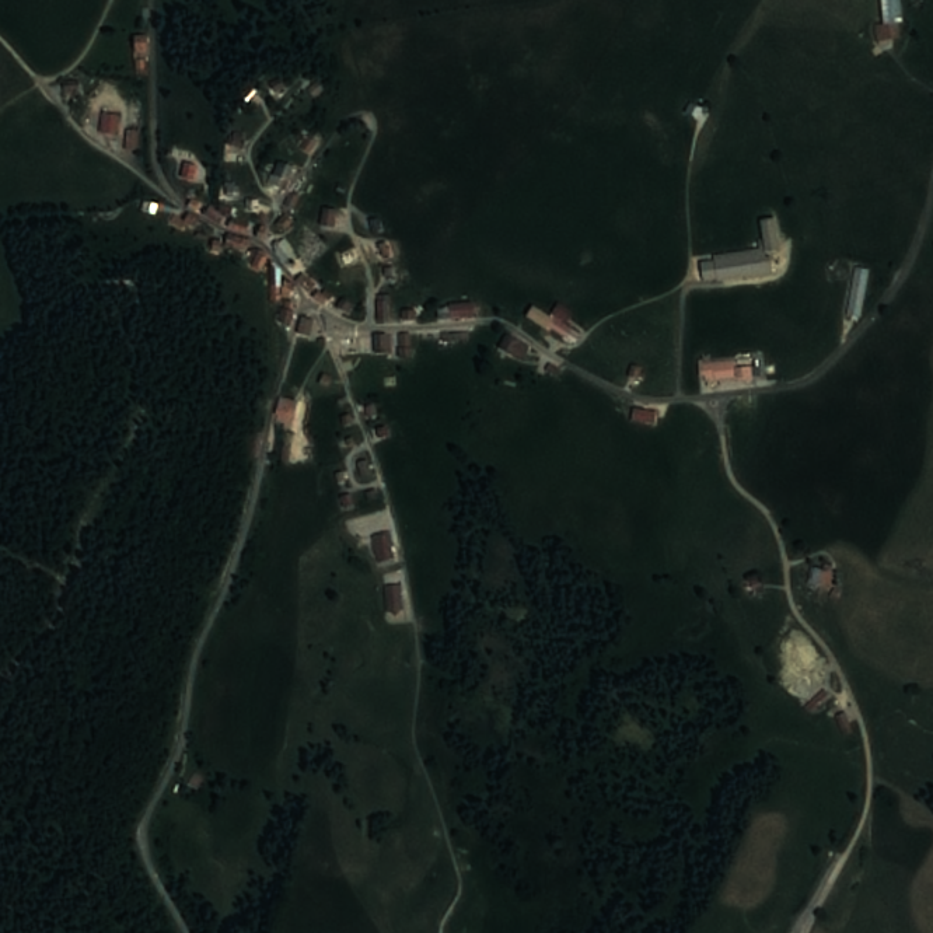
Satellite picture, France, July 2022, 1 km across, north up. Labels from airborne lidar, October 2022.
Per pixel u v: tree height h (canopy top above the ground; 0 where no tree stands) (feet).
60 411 33
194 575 51
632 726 0
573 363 0
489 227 0
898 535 0
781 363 0
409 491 0
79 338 52
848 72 0
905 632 0
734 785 85
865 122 0
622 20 0
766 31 0
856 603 0
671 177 0
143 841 0
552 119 0
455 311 0
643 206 0
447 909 0
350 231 0
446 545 0
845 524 0
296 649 0
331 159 33
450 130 0
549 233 0
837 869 0
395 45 0
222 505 52
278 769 0
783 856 0
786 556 0
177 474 44
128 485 52
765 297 0
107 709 55
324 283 30
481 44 0
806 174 0
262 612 0
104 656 44
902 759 0
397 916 0
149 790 41
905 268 0
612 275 0
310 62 30
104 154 0
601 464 0
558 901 0
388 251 21
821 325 0
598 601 72
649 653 0
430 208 0
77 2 0
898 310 0
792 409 0
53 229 93
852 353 0
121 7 0
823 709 0
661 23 0
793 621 0
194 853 0
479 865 0
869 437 0
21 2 0
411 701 0
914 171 0
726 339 0
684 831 70
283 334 0
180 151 0
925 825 0
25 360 64
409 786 0
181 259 44
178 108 0
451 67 0
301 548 0
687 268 0
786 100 0
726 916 0
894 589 0
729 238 0
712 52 0
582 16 0
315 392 0
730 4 0
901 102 0
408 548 0
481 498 87
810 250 0
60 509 48
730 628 0
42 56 0
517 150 0
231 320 60
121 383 48
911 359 0
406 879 0
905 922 0
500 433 0
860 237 0
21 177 0
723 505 0
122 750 76
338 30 24
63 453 23
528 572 70
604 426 0
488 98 0
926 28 0
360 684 0
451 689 43
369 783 0
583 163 0
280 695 0
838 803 0
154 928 62
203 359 33
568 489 0
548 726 69
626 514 0
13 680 87
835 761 0
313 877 0
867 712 0
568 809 0
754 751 0
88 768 69
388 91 0
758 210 0
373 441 0
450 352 0
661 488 0
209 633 0
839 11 0
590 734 66
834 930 0
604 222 0
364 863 0
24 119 0
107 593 71
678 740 36
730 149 0
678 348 0
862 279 0
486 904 0
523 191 0
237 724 0
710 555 0
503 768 47
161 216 0
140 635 86
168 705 50
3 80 0
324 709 0
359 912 0
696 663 78
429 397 0
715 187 0
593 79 0
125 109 0
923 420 0
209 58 89
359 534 0
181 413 56
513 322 0
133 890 77
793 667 0
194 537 60
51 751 47
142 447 69
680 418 0
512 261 0
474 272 0
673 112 0
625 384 0
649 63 0
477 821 54
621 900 72
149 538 44
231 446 40
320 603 0
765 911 0
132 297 62
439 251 0
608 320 0
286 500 0
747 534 0
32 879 64
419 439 0
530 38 0
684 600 0
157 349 53
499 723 0
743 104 0
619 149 0
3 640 92
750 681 0
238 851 0
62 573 66
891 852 0
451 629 55
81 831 73
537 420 0
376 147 0
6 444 74
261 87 32
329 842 0
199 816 0
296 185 0
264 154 27
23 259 80
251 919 55
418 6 0
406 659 0
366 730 0
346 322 0
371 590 0
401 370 38
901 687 0
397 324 0
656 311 0
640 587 0
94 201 0
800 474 0
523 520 0
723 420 0
